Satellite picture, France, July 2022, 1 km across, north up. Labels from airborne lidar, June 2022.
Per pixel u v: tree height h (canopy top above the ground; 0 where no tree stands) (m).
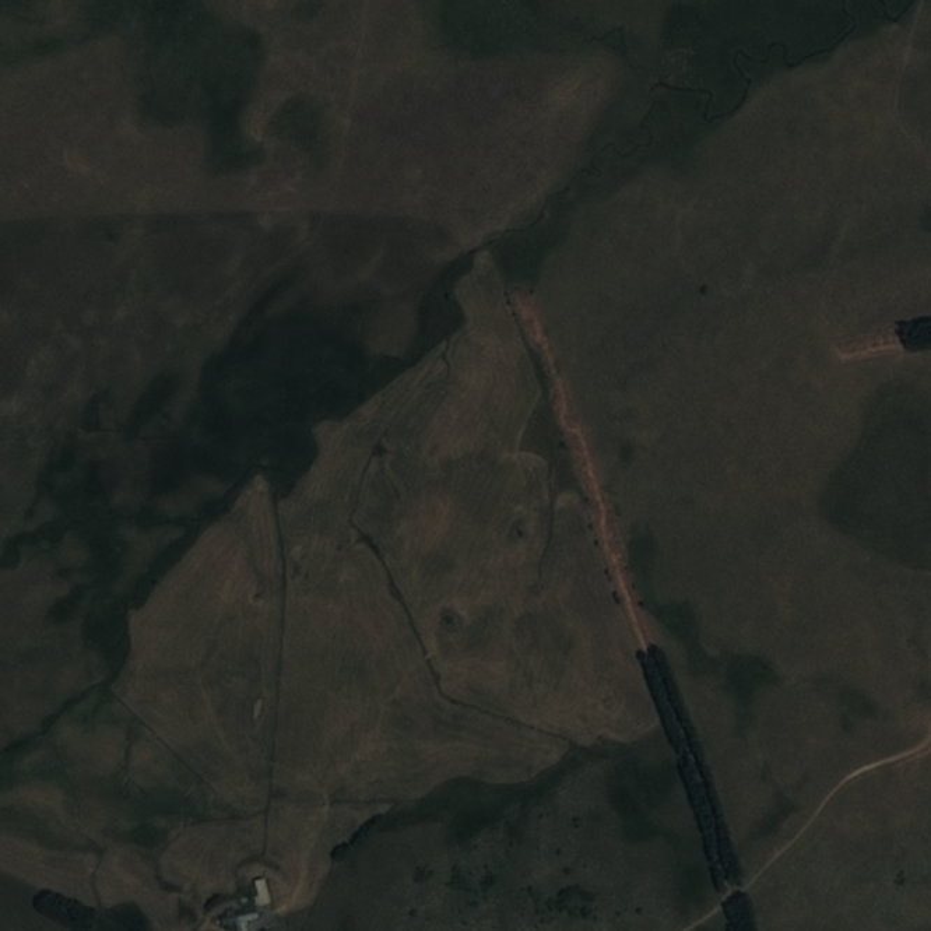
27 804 0
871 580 0
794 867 0
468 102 0
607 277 0
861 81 0
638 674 0
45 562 0
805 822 0
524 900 0
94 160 0
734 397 0
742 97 0
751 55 0
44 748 0
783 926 0
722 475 0
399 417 0
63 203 0
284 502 0
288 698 0
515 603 0
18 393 0
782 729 0
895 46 0
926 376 0
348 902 0
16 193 0
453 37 0
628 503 0
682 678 0
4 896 0
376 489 0
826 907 0
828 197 0
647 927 0
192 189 0
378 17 0
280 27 0
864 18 0
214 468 0
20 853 0
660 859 0
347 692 0
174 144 0
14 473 0
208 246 0
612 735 0
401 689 0
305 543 0
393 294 0
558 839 0
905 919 0
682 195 0
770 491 0
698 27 0
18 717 0
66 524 0
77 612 0
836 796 0
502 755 0
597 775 0
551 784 0
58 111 0
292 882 0
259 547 0
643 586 0
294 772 0
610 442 0
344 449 0
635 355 0
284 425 0
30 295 0
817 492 0
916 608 0
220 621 0
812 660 0
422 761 0
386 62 0
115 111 0
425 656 0
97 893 0
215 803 0
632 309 0
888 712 0
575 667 0
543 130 0
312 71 0
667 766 0
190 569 0
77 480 0
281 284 0
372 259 0
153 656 0
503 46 0
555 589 0
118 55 0
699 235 0
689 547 0
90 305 0
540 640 0
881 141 0
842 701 0
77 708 0
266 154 0
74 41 0
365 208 0
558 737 0
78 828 0
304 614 0
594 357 0
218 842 0
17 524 0
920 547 0
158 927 0
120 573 0
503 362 0
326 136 0
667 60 0
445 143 0
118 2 0
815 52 0
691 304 0
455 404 0
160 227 0
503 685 0
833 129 0
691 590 0
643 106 0
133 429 0
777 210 0
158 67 0
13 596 0
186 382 0
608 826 0
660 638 0
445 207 0
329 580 0
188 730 0
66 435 0
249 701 0
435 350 0
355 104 0
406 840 0
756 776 0
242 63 0
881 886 0
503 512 0
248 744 0
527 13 0
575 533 0
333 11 0
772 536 0
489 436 0
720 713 0
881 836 0
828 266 0
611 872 0
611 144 0
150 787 0
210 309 0
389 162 0
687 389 0
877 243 0
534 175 0
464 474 0
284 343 0
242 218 0
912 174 0
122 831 0
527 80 0
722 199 0
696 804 19
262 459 0
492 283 0
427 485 0
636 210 0
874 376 0
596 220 0
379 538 0
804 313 0
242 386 0
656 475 0
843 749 0
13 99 0
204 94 0
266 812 0
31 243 0
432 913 0
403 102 0
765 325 0
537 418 0
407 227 0
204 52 0
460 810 0
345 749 0
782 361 0
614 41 0
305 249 0
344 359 0
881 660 0
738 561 0
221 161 0
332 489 0
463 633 0
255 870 0
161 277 0
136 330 0
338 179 0
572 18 0
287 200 0
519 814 0
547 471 0
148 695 0
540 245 0
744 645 0
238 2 0
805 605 0
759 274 0
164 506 0
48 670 0
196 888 0
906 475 0
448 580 0
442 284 0
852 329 0
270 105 0
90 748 0
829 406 0
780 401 0
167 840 0
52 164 0
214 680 0
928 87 0
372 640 0
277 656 0
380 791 0
